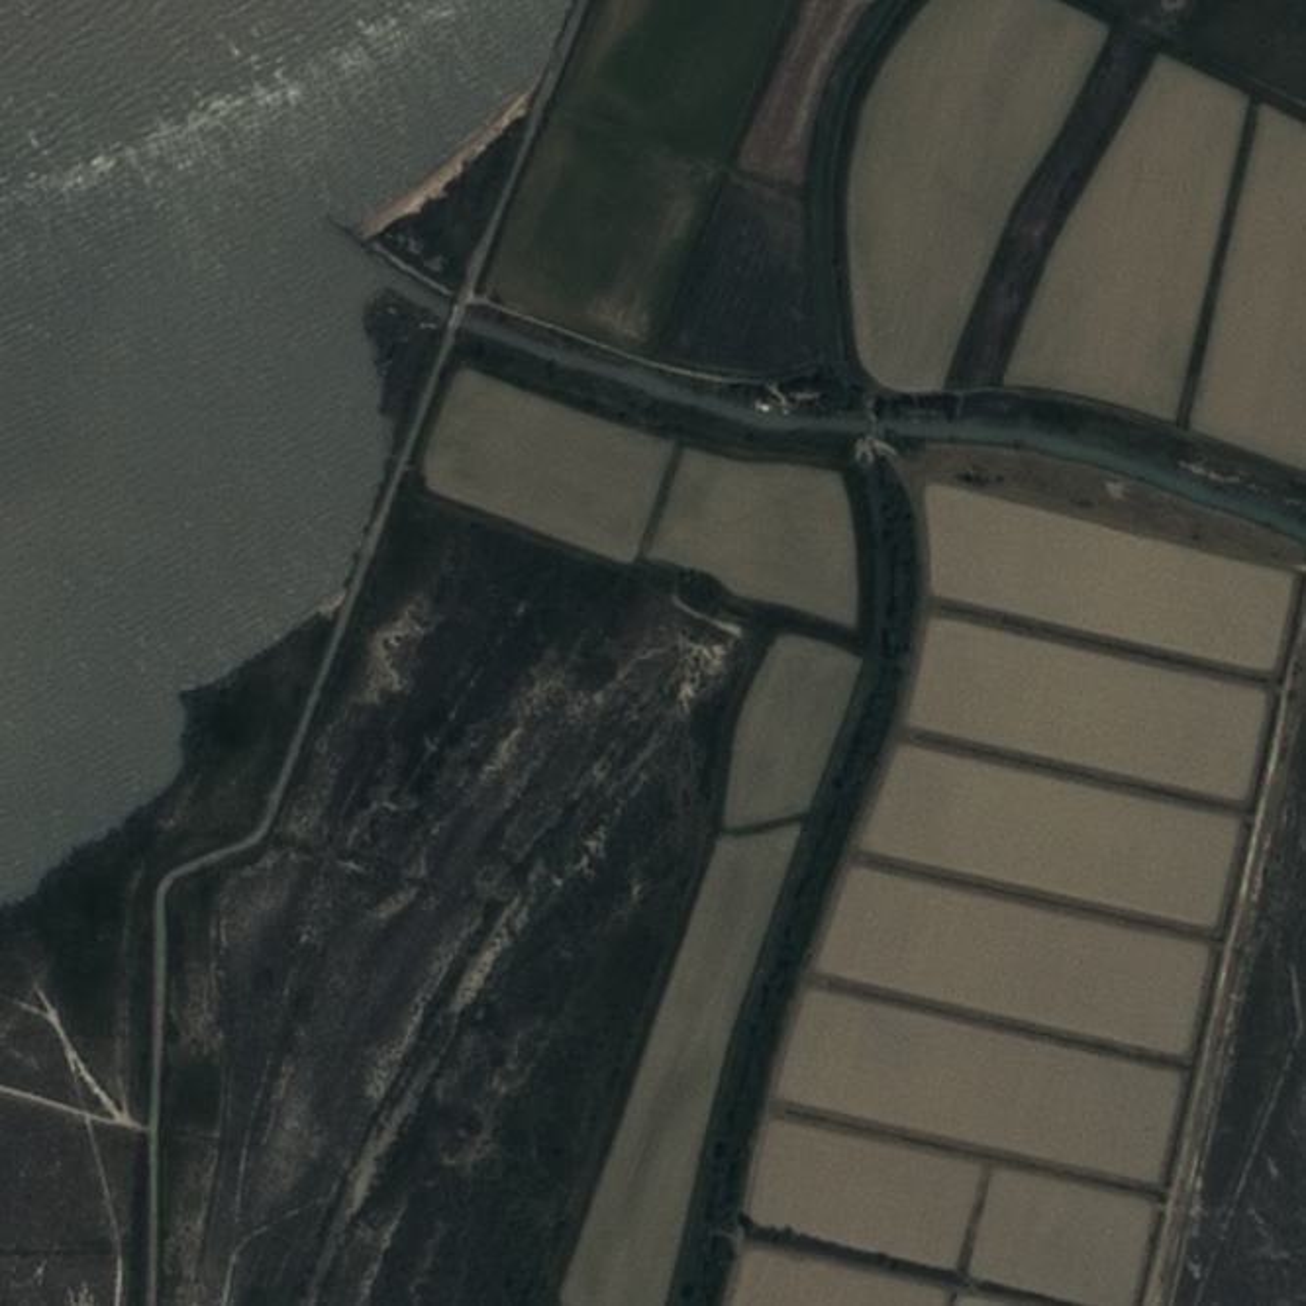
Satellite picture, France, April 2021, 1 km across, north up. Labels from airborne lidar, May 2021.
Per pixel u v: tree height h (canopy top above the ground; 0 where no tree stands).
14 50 0
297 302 0
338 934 0
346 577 0
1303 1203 0
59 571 0
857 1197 0
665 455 0
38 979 0
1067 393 0
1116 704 0
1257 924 0
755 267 0
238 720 0
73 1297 0
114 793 0
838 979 0
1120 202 0
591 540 0
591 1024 0
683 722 0
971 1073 0
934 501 0
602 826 0
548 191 0
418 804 0
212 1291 0
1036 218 0
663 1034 0
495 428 0
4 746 0
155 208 0
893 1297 0
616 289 0
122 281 0
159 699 0
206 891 0
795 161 0
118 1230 0
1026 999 0
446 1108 0
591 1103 0
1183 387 0
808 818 0
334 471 0
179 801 0
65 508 0
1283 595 0
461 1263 0
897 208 0
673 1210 0
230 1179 0
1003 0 0
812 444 0
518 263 0
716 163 0
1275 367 0
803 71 0
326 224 0
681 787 0
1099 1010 0
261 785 0
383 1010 0
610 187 0
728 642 0
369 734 0
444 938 0
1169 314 0
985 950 0
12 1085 0
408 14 0
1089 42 0
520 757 0
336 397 0
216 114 0
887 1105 0
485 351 7
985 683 0
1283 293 0
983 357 0
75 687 0
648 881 0
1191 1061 0
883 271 0
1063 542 0
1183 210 0
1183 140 0
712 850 0
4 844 0
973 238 0
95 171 0
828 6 0
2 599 0
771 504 0
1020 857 0
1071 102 0
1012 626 0
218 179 0
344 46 0
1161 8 0
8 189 0
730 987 0
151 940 0
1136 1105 0
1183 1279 0
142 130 0
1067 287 0
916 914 0
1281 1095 0
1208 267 0
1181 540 0
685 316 0
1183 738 0
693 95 0
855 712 0
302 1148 0
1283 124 0
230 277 0
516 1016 0
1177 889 0
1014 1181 0
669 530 0
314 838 0
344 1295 0
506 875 0
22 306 0
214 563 0
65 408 0
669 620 0
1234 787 0
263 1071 0
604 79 0
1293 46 0
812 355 0
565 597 0
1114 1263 0
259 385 0
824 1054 0
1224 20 0
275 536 0
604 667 0
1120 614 0
